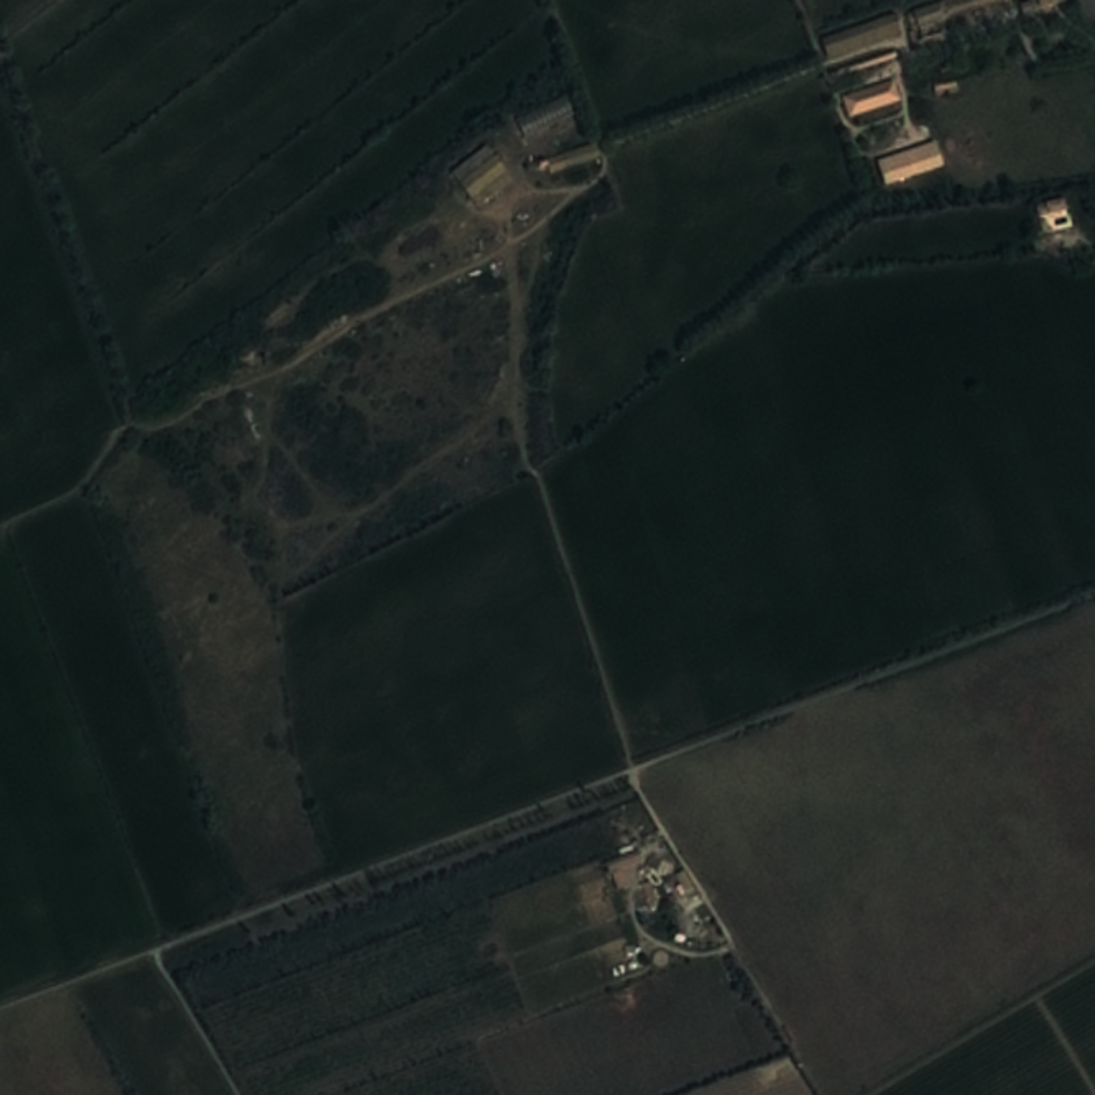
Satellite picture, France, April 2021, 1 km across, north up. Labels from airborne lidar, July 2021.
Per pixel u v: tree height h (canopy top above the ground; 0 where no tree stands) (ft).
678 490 0
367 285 24
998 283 0
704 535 0
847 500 0
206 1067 0
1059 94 0
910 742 0
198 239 0
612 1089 0
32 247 0
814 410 0
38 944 0
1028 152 0
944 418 0
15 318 0
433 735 0
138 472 0
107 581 0
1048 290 0
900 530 0
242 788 0
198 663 0
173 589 0
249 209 0
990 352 0
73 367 0
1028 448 0
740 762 0
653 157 0
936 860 0
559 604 0
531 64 0
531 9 0
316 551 0
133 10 0
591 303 0
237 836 0
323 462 0
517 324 0
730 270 0
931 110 0
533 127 0
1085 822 0
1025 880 0
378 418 0
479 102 0
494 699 0
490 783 0
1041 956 0
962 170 0
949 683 0
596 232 0
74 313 0
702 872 0
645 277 0
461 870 23
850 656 0
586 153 0
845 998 0
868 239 0
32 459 0
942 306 0
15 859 0
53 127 0
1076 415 0
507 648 0
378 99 0
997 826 0
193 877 0
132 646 0
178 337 0
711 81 0
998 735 0
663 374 49
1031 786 0
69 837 0
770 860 0
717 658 0
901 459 0
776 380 0
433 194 19
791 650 0
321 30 0
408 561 0
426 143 0
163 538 0
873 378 0
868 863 0
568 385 0
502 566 0
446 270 0
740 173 0
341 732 0
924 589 0
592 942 0
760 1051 0
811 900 0
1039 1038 0
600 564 0
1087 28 66
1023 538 0
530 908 0
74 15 0
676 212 0
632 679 0
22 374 0
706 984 0
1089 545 0
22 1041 0
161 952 0
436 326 0
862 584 0
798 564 0
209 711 0
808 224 0
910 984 0
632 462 0
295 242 0
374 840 0
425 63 0
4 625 0
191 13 0
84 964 0
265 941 29
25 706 0
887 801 0
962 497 0
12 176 0
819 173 0
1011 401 0
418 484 0
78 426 0
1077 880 0
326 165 0
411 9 0
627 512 0
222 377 0
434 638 0
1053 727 0
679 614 0
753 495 0
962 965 0
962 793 0
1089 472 0
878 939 0
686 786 0
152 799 0
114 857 0
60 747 0
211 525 0
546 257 0
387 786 0
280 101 0
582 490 0
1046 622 0
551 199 0
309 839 0
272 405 0
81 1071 0
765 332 0
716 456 0
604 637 0
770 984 0
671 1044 0
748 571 0
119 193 0
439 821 0
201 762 0
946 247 0
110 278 0
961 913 0
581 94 63
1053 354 0
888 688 0
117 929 0
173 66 0
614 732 0
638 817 0
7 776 0
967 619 0
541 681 0
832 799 0
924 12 0
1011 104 0
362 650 0
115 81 0
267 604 0
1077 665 0
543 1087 0
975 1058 0
